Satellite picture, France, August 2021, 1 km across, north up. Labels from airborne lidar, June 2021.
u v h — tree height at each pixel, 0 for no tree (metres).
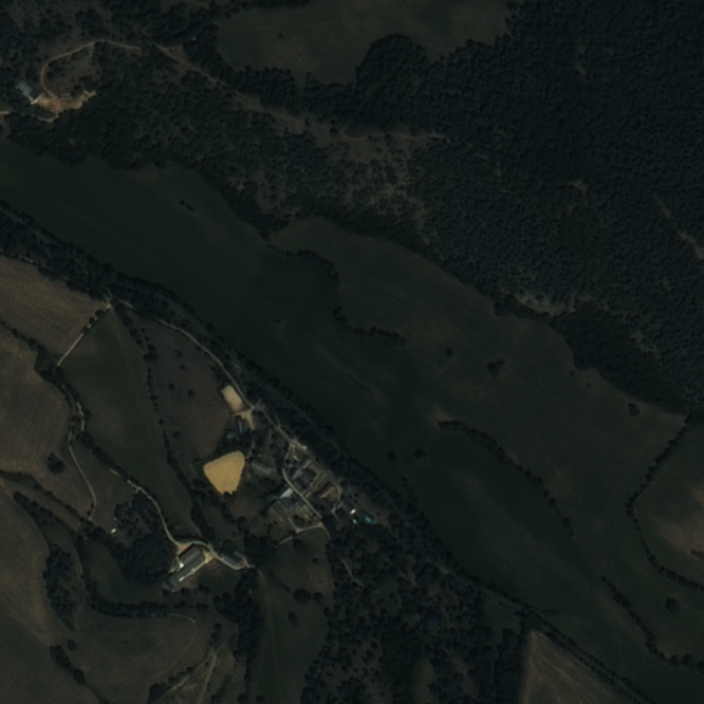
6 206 16
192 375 0
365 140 0
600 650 0
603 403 0
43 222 0
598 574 0
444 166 8
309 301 0
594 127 8
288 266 0
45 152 12
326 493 0
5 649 0
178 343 0
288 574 0
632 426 0
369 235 11
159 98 10
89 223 0
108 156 13
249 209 13
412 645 20
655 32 8
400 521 11
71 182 0
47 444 0
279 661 0
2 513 0
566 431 0
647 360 11
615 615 0
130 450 0
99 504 0
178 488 0
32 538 0
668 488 0
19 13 0
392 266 0
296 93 8
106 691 0
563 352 0
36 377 0
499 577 0
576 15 10
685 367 13
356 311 0
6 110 0
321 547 0
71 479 0
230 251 0
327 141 0
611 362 14
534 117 10
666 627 0
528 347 0
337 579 9
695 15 7
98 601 7
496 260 11
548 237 11
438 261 12
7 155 0
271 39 0
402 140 0
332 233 0
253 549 15
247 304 0
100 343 0
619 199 11
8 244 9
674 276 10
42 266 7
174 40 6
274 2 8
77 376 0
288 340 0
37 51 12
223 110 8
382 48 14
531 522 0
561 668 0
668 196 14
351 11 0
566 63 10
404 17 0
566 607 0
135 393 0
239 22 0
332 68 0
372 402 0
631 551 0
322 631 0
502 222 16
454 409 0
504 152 8
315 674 12
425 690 0
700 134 11
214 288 0
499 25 0
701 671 9
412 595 10
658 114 9
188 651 0
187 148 11
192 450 0
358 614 12
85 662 0
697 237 9
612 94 10
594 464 0
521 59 16
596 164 11
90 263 21
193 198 0
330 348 0
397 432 0
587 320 13
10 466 0
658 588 0
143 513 11
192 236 0
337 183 7
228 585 0
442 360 0
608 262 7
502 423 0
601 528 0
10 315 0
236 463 0
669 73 11
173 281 0
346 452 11
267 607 0
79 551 6
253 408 0
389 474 0
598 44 7
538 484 14
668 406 13
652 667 0
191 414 0
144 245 0
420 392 0
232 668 0
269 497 8
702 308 9
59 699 0
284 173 9
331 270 14
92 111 10
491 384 0
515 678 13
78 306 0
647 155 12
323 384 0
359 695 14
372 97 10
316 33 0
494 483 0
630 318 8
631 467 0
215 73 11
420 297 0
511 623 0
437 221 9
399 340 14
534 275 7
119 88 8
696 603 0
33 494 0
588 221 8
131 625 0
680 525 0
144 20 7
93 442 15
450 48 0
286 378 0
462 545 0
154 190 0
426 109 9
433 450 0
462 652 14
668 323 10
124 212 0
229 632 0
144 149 10
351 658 10
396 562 20
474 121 10
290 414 9
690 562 0
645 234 12
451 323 0
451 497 0
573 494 0
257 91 7
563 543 0
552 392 0
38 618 0
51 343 0
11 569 0
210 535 11
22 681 0
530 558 0
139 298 12
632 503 11
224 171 7
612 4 10
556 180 10
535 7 9
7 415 0
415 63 7
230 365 7
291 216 8
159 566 14
